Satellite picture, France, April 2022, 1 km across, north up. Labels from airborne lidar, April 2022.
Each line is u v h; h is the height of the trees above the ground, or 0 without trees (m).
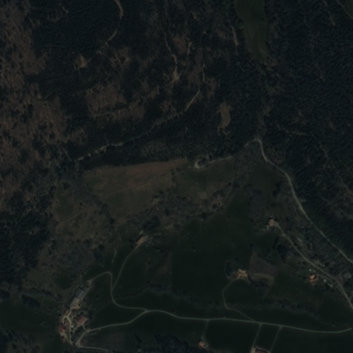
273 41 20
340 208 9
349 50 8
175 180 15
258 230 6
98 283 0
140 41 16
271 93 19
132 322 0
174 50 19
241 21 25
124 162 20
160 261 0
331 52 28
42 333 0
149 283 13
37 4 22
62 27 24
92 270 0
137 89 12
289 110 8
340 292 7
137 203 0
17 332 0
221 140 27
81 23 24
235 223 0
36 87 19
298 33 10
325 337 0
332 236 11
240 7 0
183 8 21
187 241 0
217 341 0
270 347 0
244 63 35
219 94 22
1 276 25
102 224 0
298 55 14
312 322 0
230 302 0
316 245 17
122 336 0
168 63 18
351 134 26
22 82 22
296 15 14
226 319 0
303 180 20
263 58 0
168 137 24
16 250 10
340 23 7
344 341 0
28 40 17
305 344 0
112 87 15
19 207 11
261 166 0
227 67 26
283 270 0
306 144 11
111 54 16
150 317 0
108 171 0
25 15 17
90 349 0
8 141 15
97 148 16
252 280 19
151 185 0
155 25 20
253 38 0
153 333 0
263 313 0
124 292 0
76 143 14
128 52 16
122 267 0
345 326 0
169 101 10
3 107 20
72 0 23
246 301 0
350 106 25
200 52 20
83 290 0
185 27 21
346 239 23
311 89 29
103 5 18
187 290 0
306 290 0
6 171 10
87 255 23
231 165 0
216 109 23
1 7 15
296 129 7
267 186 0
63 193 0
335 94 24
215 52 17
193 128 21
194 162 16
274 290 0
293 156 22
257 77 32
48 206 28
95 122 8
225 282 0
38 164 21
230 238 0
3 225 12
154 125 17
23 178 20
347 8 0
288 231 16
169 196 11
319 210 6
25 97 11
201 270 0
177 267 0
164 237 0
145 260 0
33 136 14
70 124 14
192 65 14
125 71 16
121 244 0
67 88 13
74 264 22
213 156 18
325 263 12
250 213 15
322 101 29
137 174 0
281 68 12
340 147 26
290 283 0
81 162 17
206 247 0
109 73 12
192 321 0
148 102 12
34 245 18
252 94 28
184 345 19
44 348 0
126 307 0
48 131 18
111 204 0
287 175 9
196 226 0
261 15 0
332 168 25
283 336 0
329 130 9
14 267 15
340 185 27
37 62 17
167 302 0
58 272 9
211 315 0
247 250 0
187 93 20
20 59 14
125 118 12
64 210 0
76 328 0
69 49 21
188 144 22
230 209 0
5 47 29
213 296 0
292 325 0
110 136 16
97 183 0
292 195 16
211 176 0
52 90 13
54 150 18
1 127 18
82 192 17
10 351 0
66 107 10
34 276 0
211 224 0
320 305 0
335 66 25
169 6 18
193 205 10
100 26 15
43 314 0
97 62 20
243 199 0
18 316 0
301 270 8
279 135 7
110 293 0
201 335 0
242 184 18
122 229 0
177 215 16
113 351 0
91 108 10
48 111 18
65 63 14
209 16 27
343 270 8
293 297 0
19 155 19
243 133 35
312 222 13
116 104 9
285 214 0
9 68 19
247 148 7
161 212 13
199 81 16
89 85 11
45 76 17
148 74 18
